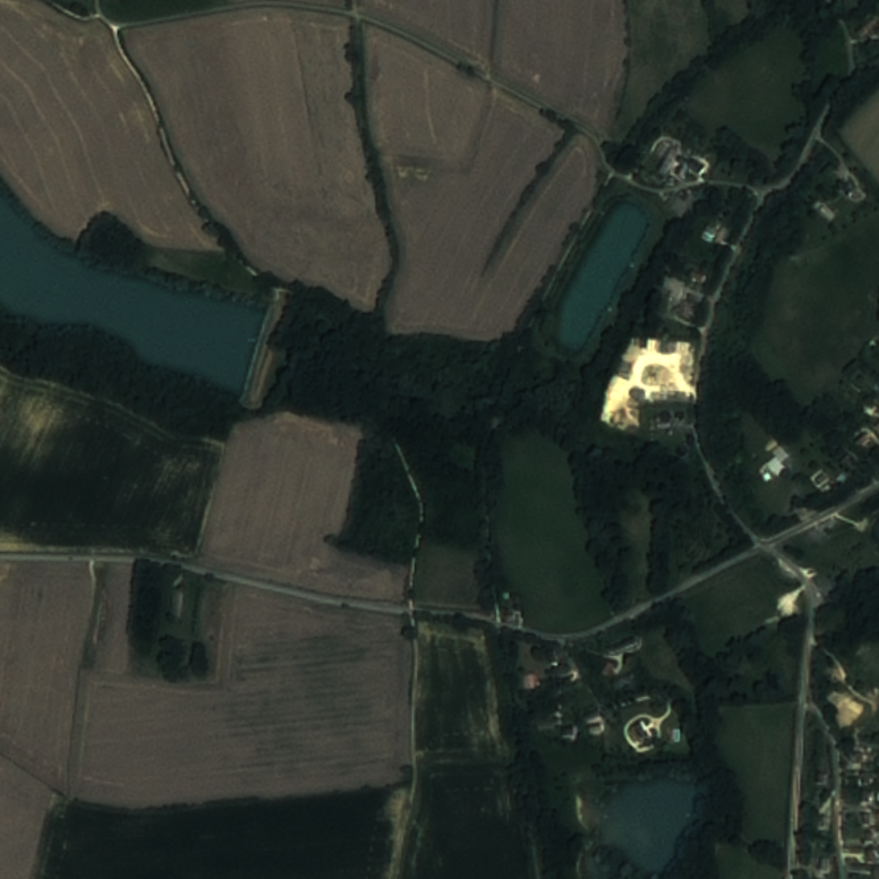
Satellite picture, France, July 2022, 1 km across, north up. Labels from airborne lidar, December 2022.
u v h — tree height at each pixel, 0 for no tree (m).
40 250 0
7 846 0
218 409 21
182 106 0
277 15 0
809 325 0
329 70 0
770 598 0
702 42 0
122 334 0
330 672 0
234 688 0
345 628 0
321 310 14
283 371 0
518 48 0
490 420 25
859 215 7
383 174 8
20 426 0
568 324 0
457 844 0
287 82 0
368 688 0
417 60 0
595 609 0
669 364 0
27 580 0
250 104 0
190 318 0
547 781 10
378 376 20
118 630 0
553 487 0
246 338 0
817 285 0
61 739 0
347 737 0
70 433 0
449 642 0
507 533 0
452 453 8
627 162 19
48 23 0
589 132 0
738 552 14
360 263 0
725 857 0
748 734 0
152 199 0
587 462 20
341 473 0
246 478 0
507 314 0
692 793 0
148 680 0
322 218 0
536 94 0
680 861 12
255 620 0
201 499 0
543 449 0
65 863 0
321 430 0
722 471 11
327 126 0
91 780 0
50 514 0
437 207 0
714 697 24
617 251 0
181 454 0
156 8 0
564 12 0
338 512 0
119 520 0
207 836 0
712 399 15
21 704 0
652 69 0
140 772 0
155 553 0
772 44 0
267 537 0
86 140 0
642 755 7
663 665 0
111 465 0
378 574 0
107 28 0
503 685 8
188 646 8
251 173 0
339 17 0
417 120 0
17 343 25
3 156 0
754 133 0
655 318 24
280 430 0
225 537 0
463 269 0
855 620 11
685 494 15
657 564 20
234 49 0
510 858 0
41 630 0
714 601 0
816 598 0
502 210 0
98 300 0
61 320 0
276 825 0
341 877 0
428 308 0
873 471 19
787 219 20
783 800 0
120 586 0
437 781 0
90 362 20
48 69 0
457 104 0
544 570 0
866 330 0
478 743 0
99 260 12
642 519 0
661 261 25
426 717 0
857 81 16
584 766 0
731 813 30
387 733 0
